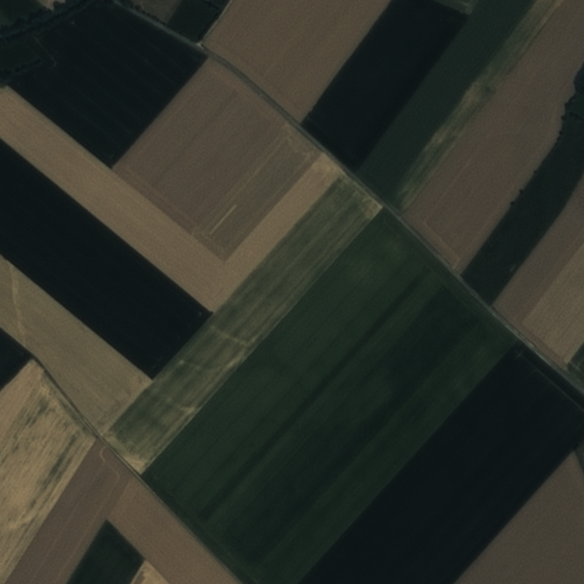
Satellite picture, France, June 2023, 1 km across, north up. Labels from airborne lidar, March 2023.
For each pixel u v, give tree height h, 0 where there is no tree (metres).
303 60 0
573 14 0
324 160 0
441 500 0
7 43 11
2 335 0
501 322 0
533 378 0
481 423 0
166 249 0
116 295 0
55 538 0
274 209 0
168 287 0
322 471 0
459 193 0
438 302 0
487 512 0
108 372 0
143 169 0
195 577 0
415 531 0
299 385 0
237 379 0
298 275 0
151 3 0
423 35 0
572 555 0
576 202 0
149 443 0
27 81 0
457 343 0
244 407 0
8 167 0
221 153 0
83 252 0
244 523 0
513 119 0
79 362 0
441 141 0
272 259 0
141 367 0
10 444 0
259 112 0
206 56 0
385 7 0
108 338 0
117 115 0
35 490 0
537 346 0
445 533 0
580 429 0
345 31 0
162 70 0
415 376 0
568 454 0
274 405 0
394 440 0
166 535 0
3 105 0
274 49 0
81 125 0
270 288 0
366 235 0
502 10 0
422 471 0
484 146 0
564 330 0
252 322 0
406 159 0
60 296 0
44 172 0
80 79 0
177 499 0
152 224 0
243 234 0
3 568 0
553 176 0
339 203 0
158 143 0
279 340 0
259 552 0
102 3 0
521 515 0
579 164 0
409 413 0
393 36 0
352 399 0
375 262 0
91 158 0
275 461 0
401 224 0
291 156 0
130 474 0
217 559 0
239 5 0
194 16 0
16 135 0
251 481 0
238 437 0
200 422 0
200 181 0
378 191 0
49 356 0
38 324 0
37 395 0
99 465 0
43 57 0
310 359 0
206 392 0
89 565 0
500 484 0
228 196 0
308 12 0
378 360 0
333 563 0
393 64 0
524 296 0
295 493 0
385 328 0
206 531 0
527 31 0
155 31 0
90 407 0
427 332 0
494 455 0
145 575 0
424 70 0
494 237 0
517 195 0
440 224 0
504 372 0
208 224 0
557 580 0
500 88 0
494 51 0
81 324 0
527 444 0
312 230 0
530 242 0
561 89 0
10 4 0
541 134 0
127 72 0
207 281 0
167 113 0
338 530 0
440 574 0
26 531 0
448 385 0
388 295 0
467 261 0
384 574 0
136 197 0
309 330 0
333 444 0
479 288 0
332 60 0
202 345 0
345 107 0
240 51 0
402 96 0
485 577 0
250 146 0
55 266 0
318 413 0
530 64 0
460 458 0
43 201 0
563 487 0
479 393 0
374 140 0
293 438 0
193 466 0
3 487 0
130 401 0
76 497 0
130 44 0
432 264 0
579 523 0
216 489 0
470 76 0
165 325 0
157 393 0
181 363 0
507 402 0
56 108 0
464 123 0
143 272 0
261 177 0
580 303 0
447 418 0
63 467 0
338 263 0
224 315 0
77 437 0
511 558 0
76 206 0
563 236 0
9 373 0
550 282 0
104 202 0
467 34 0
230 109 0
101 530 0
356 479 0
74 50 0
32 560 0
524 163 0
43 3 0
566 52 0
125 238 0
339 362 0
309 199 0
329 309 0
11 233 0
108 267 0
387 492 0
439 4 0
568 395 0
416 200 0
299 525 0
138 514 0
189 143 0
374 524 0
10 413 0
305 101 0
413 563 0
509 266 0
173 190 0
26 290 0
